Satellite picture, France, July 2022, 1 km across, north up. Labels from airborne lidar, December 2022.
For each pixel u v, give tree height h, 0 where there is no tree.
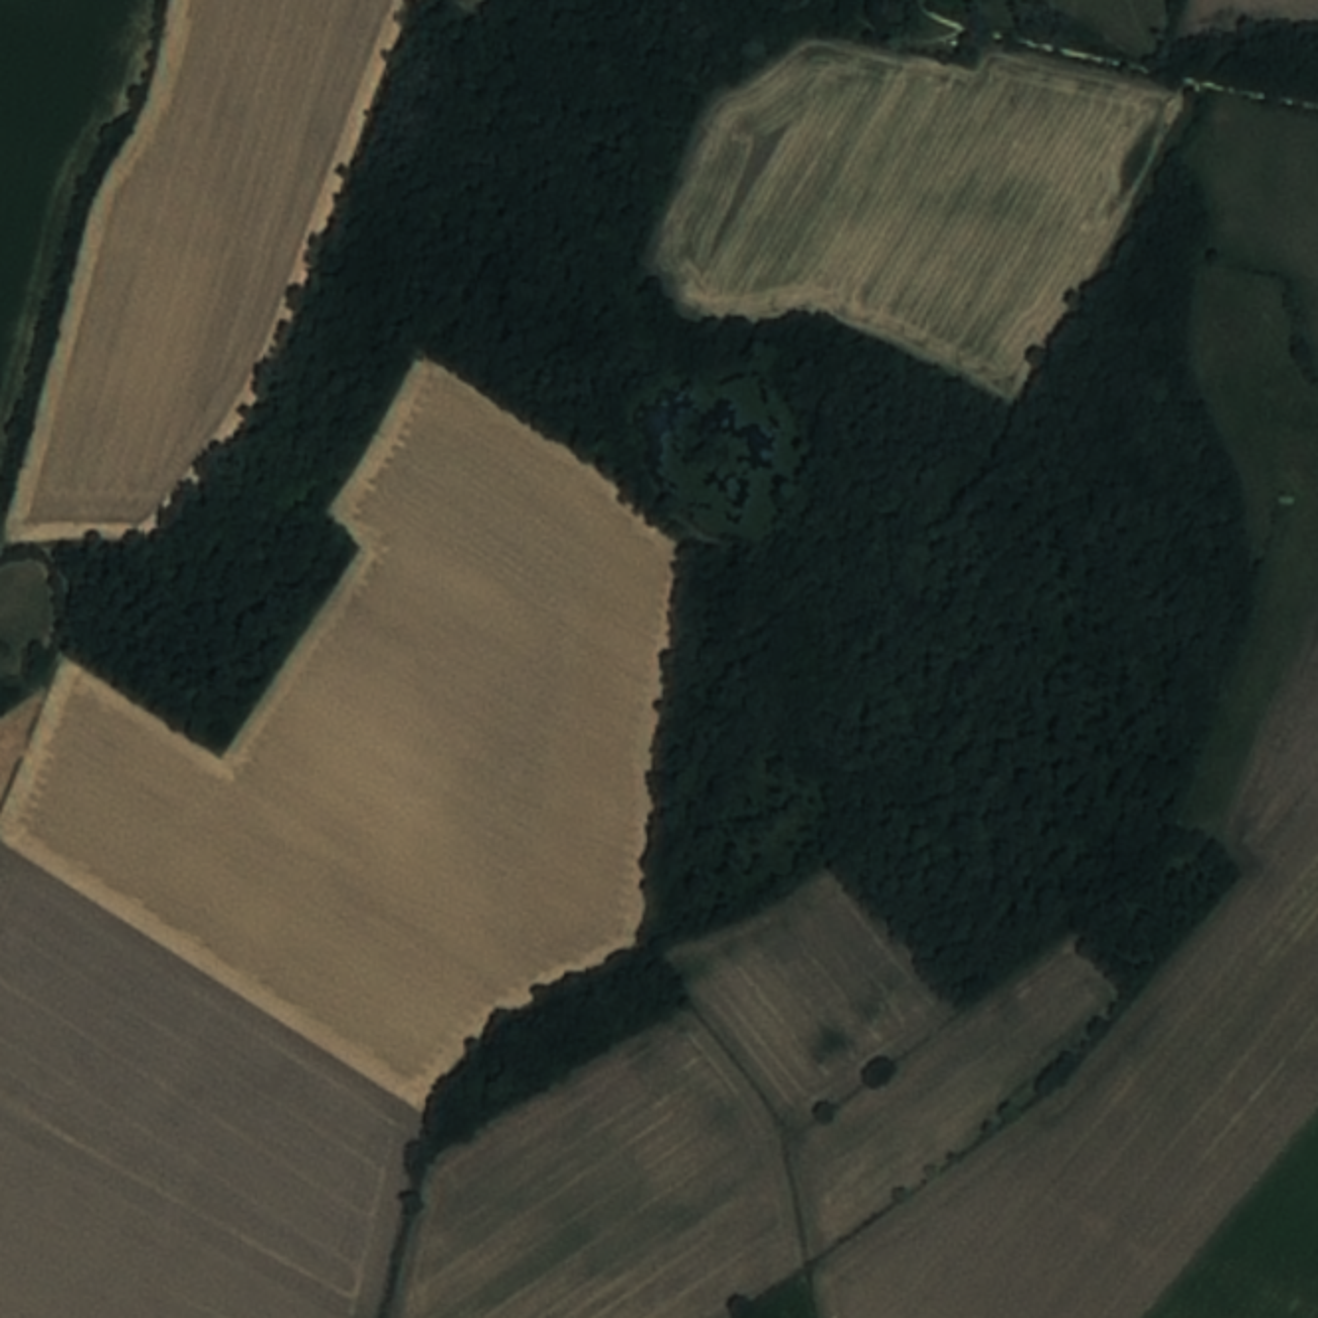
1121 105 0
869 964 0
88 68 0
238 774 0
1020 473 23
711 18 23
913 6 20
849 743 20
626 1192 0
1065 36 19
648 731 0
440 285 28
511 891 0
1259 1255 0
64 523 0
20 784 0
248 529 24
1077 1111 0
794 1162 0
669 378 27
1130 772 22
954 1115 0
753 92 0
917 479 24
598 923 0
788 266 0
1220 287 0
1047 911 22
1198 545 19
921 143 0
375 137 16
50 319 9
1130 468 16
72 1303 0
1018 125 0
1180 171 11
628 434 22
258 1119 0
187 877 0
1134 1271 0
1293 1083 0
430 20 19
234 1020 0
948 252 0
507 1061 25
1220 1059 0
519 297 27
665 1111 0
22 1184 0
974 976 11
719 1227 0
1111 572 21
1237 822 0
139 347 0
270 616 27
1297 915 0
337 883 0
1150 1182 0
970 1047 0
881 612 18
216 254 0
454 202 24
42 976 0
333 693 0
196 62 0
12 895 0
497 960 0
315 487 20
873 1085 13
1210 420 14
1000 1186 0
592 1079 0
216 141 0
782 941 0
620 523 0
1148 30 0
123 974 0
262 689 19
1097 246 0
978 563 24
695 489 0
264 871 0
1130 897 21
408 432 0
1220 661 18
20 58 0
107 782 0
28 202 0
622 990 23
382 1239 0
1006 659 20
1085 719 24
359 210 12
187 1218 0
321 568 23
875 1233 0
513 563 0
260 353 0
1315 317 0
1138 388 20
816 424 18
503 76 20
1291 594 0
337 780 0
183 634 32
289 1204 0
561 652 0
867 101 0
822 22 16
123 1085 0
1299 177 0
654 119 25
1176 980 0
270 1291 0
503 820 0
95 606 26
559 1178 0
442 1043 0
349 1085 0
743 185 0
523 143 23
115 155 9
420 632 0
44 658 11
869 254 0
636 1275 0
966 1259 0
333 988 0
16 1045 0
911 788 22
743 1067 0
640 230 22
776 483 0
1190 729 21
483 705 0
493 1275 0
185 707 26
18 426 12
